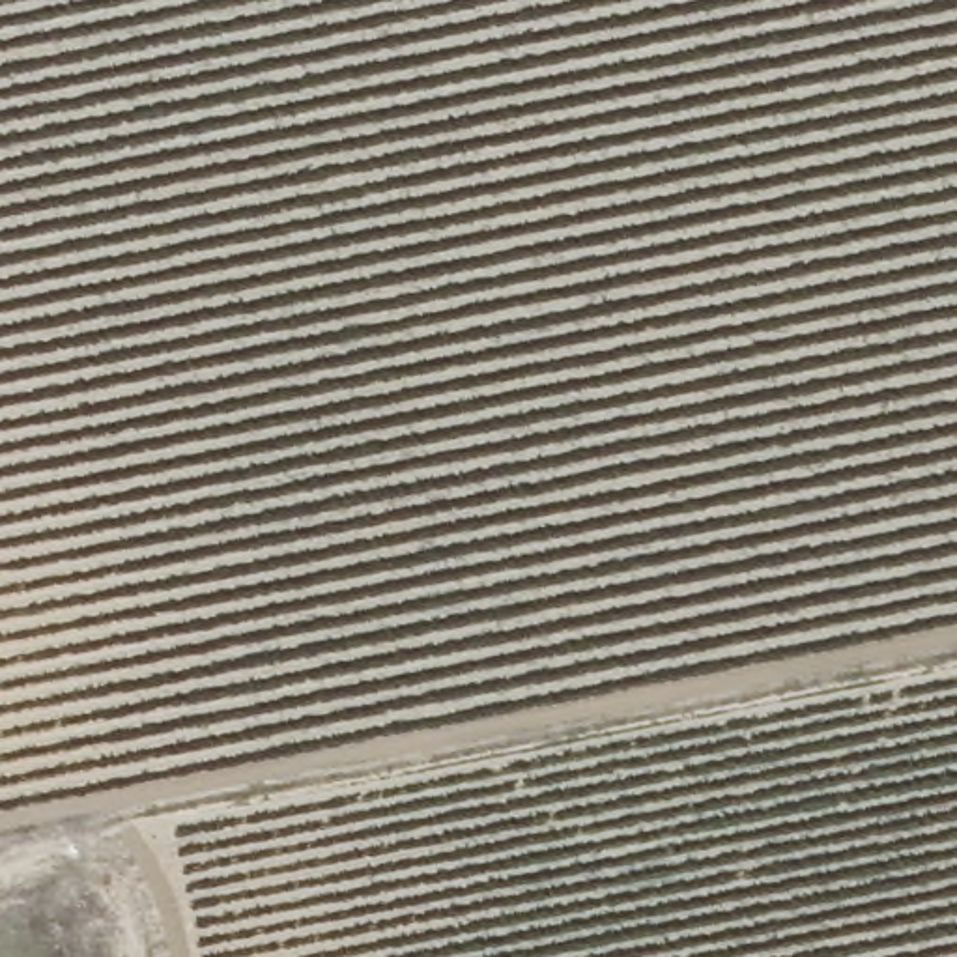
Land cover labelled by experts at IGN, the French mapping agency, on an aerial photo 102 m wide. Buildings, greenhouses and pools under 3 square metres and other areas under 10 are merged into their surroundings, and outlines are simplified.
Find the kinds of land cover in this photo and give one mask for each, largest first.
<instances>
[{"label":"vineyard","instance_id":"1","mask_svg":"<svg viewBox=\"0 0 957 957\"><path fill-rule=\"evenodd\" d=\"M957 624V0H0V815L15 807L217 774L366 744L381 736L561 707L576 699H598L613 692L710 677L804 654H826ZM176 837L187 890L176 893V905L183 916L191 957H957V677L890 688L860 699H830L755 718H729L718 725L609 740L598 748L516 759L508 766L464 770L370 793L288 804L254 815L183 822L176 826Z\"/></svg>","mask_w":957,"mask_h":957},{"label":"pervious surface","instance_id":"2","mask_svg":"<svg viewBox=\"0 0 957 957\"><path fill-rule=\"evenodd\" d=\"M957 677V624L826 654H804L710 677L613 692L598 699H576L561 707L381 736L366 744L217 774L15 807L0 815V878L7 886H26L41 875H52L56 901L64 908L79 893H97L105 912L79 927V946L101 942L116 957H191L183 916L176 905V893L187 890L176 837V826L183 822L254 815L288 804L370 793L464 770L508 766L516 759L598 748L609 740L718 725L729 718H755L830 699H860L890 688Z\"/></svg>","mask_w":957,"mask_h":957},{"label":"herbaceous vegetation","instance_id":"3","mask_svg":"<svg viewBox=\"0 0 957 957\"><path fill-rule=\"evenodd\" d=\"M105 912L97 893H79L64 908L56 901L52 875H41L26 886H7L0 878V957H116L101 942L79 946V927Z\"/></svg>","mask_w":957,"mask_h":957}]
</instances>
